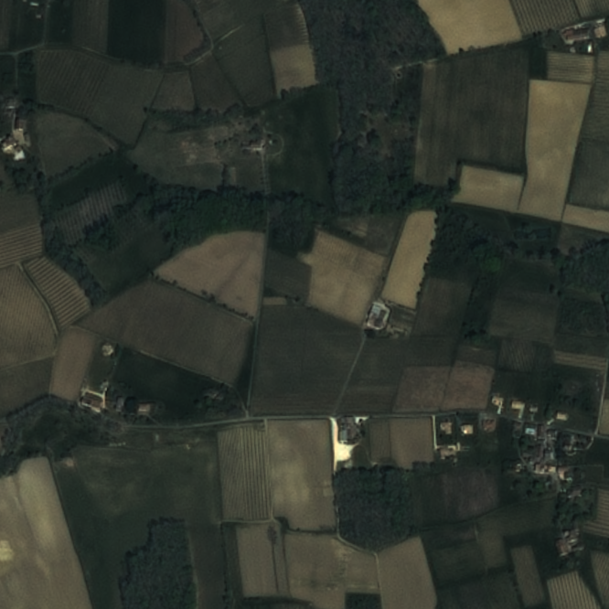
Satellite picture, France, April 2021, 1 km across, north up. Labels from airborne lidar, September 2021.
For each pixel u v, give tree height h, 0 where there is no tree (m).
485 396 0
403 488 19
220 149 0
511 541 0
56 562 0
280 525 0
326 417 0
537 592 0
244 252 0
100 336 0
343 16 17
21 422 23
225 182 10
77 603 0
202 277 0
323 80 16
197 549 0
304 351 0
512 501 0
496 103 0
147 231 15
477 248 19
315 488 0
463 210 0
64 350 0
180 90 0
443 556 0
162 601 17
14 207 0
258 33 0
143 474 0
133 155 0
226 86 0
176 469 0
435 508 0
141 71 0
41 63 0
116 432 15
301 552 0
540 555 0
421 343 0
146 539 0
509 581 0
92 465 0
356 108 18
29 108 17
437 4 0
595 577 0
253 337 0
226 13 0
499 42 0
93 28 0
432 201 21
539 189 0
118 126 0
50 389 0
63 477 0
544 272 0
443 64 0
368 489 19
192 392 0
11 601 0
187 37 0
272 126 0
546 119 0
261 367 0
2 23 0
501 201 0
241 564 0
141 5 0
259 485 0
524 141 0
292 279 0
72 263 21
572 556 6
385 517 21
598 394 0
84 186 0
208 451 0
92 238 26
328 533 12
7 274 0
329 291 0
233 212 25
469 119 0
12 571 0
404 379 0
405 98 14
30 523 0
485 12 0
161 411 0
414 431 0
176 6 0
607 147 0
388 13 17
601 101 0
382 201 21
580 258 22
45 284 0
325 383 0
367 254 0
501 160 0
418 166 0
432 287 0
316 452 0
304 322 0
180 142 0
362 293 0
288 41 0
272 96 0
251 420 0
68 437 0
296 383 0
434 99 0
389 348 0
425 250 0
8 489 0
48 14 0
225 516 0
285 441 0
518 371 0
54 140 0
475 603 0
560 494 6
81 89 0
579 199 0
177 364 0
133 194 0
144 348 0
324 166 0
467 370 0
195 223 21
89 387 0
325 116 0
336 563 0
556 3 0
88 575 0
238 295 0
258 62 0
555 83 0
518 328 0
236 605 0
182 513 0
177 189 7
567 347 0
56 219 8
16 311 0
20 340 0
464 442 0
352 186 23
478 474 0
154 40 0
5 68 0
